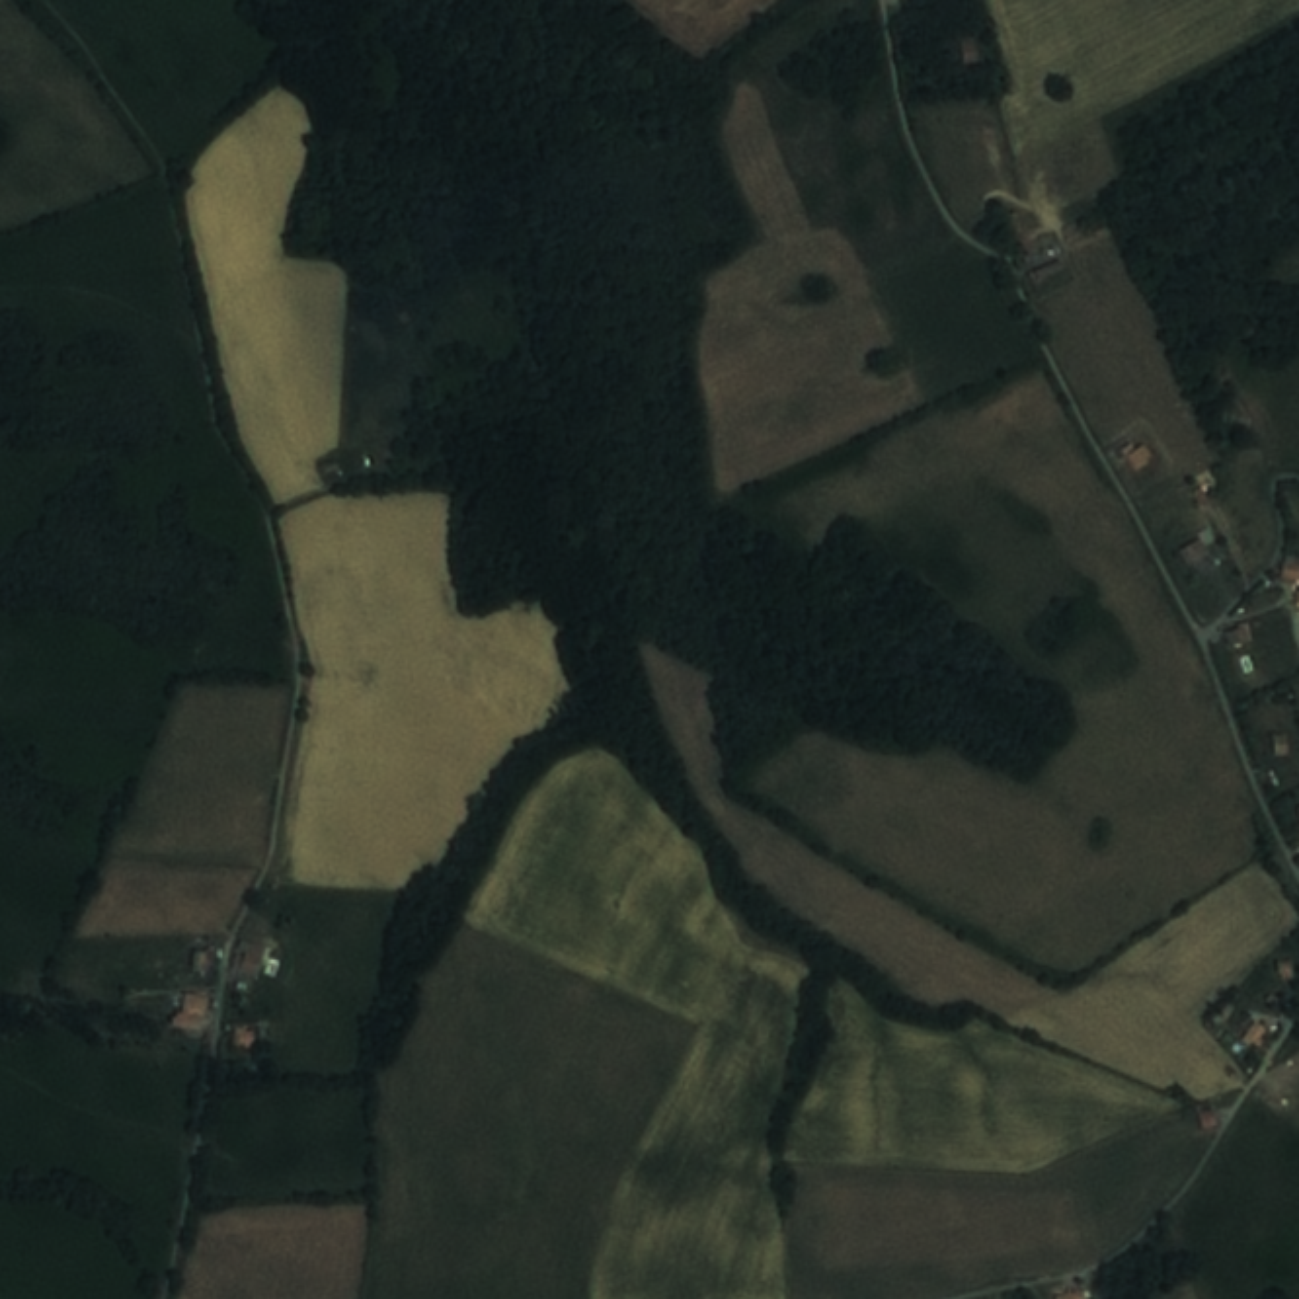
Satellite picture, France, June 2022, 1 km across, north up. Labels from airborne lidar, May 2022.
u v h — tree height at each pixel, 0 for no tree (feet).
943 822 0
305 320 0
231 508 0
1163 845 0
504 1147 0
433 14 65
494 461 82
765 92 0
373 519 0
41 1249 0
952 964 0
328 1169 0
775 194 0
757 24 42
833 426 0
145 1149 0
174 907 0
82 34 0
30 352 37
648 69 40
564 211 51
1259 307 65
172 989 0
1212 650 0
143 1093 0
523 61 47
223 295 0
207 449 0
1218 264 85
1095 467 0
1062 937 0
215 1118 25
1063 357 0
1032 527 0
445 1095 0
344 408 0
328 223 61
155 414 20
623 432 31
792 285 0
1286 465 0
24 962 0
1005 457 0
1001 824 0
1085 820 0
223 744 0
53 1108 0
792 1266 0
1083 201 0
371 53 37
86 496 38
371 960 0
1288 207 74
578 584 65
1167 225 84
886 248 0
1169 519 0
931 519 0
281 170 0
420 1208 0
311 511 0
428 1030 0
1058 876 0
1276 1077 0
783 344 0
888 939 0
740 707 48
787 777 0
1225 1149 0
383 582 0
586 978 0
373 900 0
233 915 0
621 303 30
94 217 0
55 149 0
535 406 60
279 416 0
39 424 35
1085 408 0
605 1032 0
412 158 60
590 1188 0
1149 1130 0
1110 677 0
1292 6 0
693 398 54
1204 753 0
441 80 73
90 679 0
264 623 0
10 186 0
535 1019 0
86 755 0
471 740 0
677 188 22
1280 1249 0
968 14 65
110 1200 19
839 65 31
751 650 89
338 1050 0
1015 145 0
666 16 0
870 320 0
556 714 42
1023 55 0
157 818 0
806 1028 39
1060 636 21
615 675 72
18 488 0
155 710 0
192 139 0
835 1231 0
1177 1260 45
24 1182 46
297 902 0
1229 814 0
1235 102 75
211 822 0
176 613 33
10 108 0
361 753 0
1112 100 0
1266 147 71
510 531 72
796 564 84
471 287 0
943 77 47
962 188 0
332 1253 0
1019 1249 0
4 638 0
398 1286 0
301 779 0
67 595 30
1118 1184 0
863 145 0
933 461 0
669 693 0
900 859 0
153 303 0
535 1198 0
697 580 31
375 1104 29
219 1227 0
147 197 0
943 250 0
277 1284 0
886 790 0
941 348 0
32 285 0
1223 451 20
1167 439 0
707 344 0
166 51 0
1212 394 51
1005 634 0
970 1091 0
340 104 78
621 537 23
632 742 51
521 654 0
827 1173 0
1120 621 0
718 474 0
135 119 0
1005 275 63
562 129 55
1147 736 0
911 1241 0
